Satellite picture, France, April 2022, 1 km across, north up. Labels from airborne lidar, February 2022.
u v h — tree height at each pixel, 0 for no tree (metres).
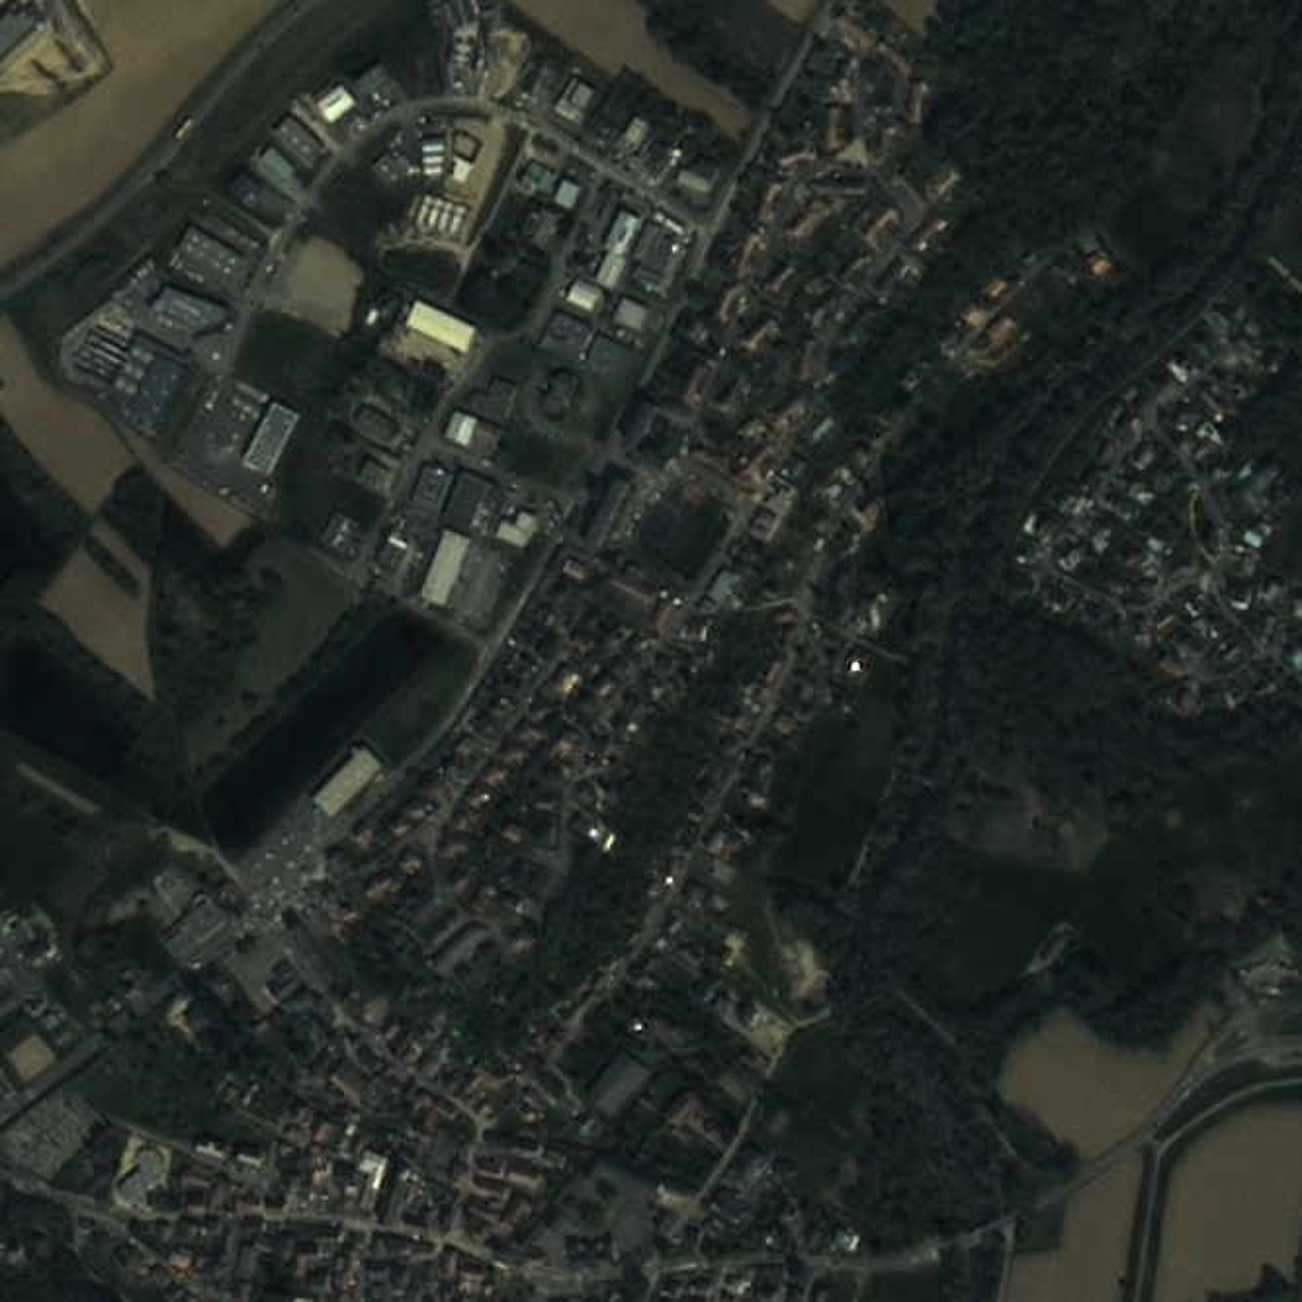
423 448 0
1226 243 15
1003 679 23
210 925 0
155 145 0
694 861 0
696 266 0
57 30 0
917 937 21
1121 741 27
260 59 0
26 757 0
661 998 8
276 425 0
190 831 0
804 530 6
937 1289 0
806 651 7
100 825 0
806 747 0
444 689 0
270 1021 6
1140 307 22
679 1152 0
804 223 0
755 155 0
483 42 0
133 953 0
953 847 18
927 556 22
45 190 0
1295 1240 0
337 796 0
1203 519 0
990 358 0
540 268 7
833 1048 0
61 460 0
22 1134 0
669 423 9
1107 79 31
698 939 0
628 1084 0
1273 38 0
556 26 0
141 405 0
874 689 0
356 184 0
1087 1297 0
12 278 0
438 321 0
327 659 9
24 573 8
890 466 12
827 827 0
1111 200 25
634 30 0
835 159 0
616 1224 0
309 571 0
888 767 0
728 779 0
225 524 0
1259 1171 0
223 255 0
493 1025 6
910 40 0
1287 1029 0
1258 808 0
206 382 0
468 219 0
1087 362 20
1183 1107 0
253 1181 0
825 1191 0
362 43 0
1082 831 0
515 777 6
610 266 0
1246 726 22
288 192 0
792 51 0
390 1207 0
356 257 0
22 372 0
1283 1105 0
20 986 0
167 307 0
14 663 0
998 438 23
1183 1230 0
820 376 0
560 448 0
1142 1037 23
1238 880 0
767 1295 0
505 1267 0
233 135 0
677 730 20
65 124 0
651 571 0
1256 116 0
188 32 0
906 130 6
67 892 0
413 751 0
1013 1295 0
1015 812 0
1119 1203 0
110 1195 19
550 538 0
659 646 0
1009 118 30
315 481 0
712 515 0
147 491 9
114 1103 0
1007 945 0
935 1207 8
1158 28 34
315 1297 0
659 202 0
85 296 0
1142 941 0
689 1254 0
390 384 0
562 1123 0
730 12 0
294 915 0
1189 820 0
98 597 0
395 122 0
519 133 0
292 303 0
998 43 30
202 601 6
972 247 21
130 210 0
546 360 0
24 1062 0
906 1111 19
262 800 0
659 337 0
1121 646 0
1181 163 0
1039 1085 0
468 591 0
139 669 0
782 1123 0
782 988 0
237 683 0
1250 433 22
